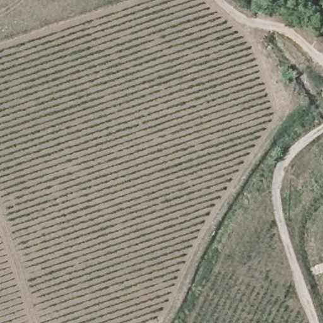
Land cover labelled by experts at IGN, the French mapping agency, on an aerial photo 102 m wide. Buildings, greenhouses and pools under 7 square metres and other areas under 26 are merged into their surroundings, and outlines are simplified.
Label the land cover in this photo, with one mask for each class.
<instances>
[{"label":"vineyard","instance_id":"1","mask_svg":"<svg viewBox=\"0 0 323 323\"><path fill-rule=\"evenodd\" d=\"M255 28L233 19L214 0H125L0 42V323H310L295 289L293 270L285 254L279 227L276 225L271 188L261 193L245 191L267 156L278 145L274 138L276 131L295 109L290 103L291 92L286 91L284 87L281 67L273 59L266 58V50L262 47L261 40L254 38Z\"/></svg>","mask_w":323,"mask_h":323},{"label":"herbaceous vegetation","instance_id":"2","mask_svg":"<svg viewBox=\"0 0 323 323\"><path fill-rule=\"evenodd\" d=\"M254 38L261 40L262 47L266 50V58L273 59L281 67L284 87L286 91L291 92L290 103L295 109L309 102L314 109H319L314 98V83L300 69L313 66L315 71L323 73V67L314 63L312 57L304 52L297 42L285 34L255 28ZM309 44L314 45L318 52L323 53V43L318 42L312 28H293ZM317 179L323 184V134L305 145L285 168L280 188L281 198L288 196L289 192L297 188L302 194V202L284 214L291 245L318 315L317 323H323V201L318 211L313 214L312 220L307 223L305 240H299V228L303 208L309 207L310 201L320 194L314 180Z\"/></svg>","mask_w":323,"mask_h":323},{"label":"deciduous trees","instance_id":"3","mask_svg":"<svg viewBox=\"0 0 323 323\"><path fill-rule=\"evenodd\" d=\"M249 18H264L266 15L270 16L271 20L293 28H312L318 42L323 43V0H226ZM314 83V98L319 109H314L309 102L295 109L276 131L274 138L278 145L267 156L245 191L261 193L271 188L276 165L285 159L291 146L314 127L323 124V73L315 71L313 66L300 69ZM320 194L310 201L309 207L303 208L299 228V240H305L307 223L312 220L313 214L318 211L323 201V184L317 179L314 180ZM302 202V194L297 188L289 192L288 196L281 198L284 214Z\"/></svg>","mask_w":323,"mask_h":323},{"label":"pervious surface","instance_id":"4","mask_svg":"<svg viewBox=\"0 0 323 323\"><path fill-rule=\"evenodd\" d=\"M233 19L255 28L285 34L297 42L304 52L312 57L314 63L323 67V53L318 52L314 45L309 44L293 28L271 20L270 16L266 15L264 18H249L226 0H214ZM323 134V124L314 127L291 146L285 159L276 165L271 188L276 225L279 227L285 254L293 270L295 289L310 323H317L318 315L291 245L284 214L281 198L280 188L285 168L305 145Z\"/></svg>","mask_w":323,"mask_h":323},{"label":"plowed land","instance_id":"5","mask_svg":"<svg viewBox=\"0 0 323 323\"><path fill-rule=\"evenodd\" d=\"M125 0H0V42Z\"/></svg>","mask_w":323,"mask_h":323}]
</instances>
